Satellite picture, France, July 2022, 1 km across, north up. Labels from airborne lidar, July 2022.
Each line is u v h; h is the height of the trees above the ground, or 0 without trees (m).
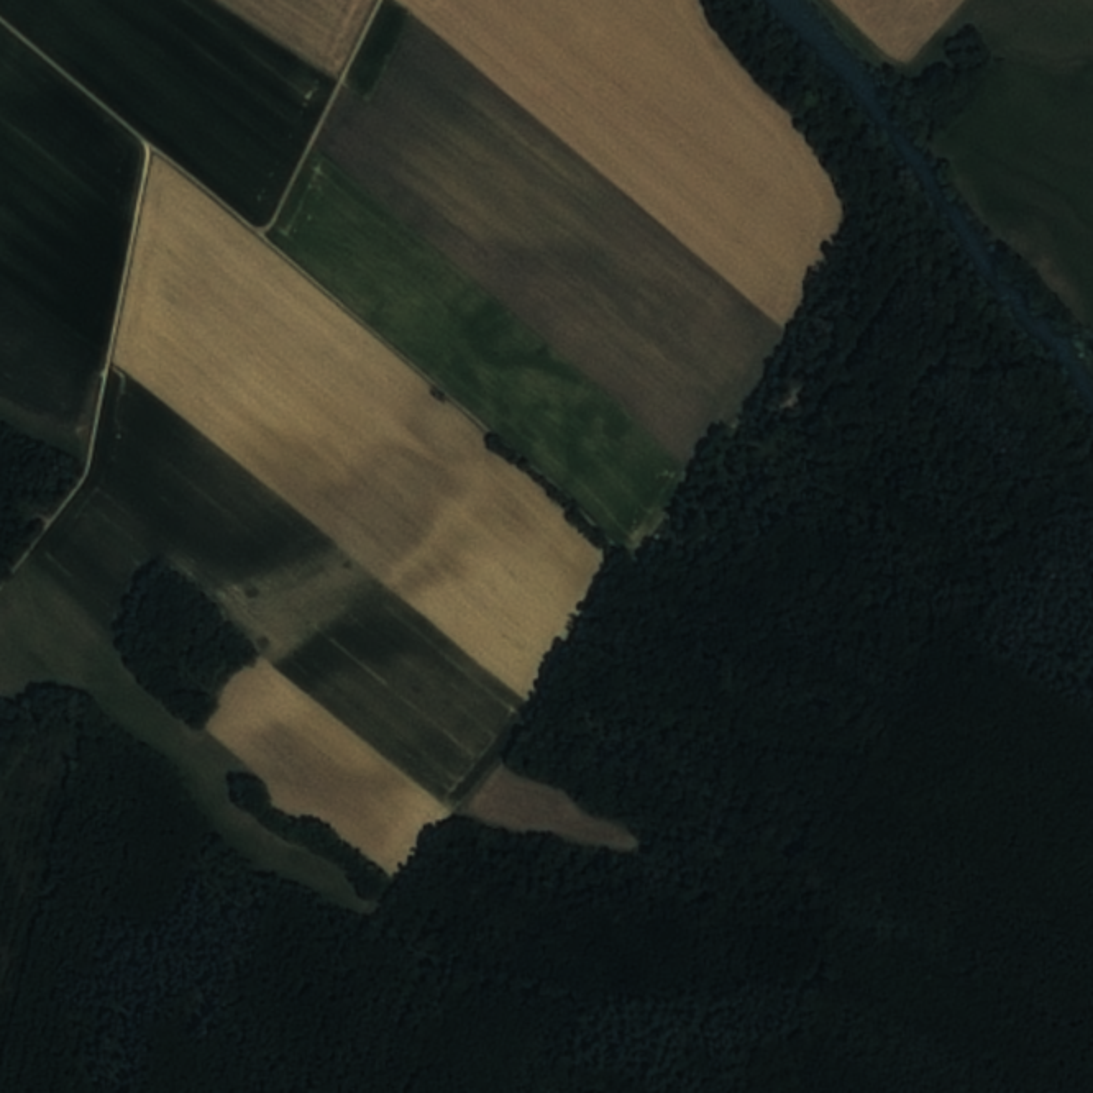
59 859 18
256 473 0
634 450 0
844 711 25
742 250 0
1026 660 31
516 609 0
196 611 18
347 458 0
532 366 0
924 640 15
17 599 0
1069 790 16
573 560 0
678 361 0
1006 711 18
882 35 0
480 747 0
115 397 0
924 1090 20
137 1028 23
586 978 24
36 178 0
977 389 25
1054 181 0
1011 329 29
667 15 0
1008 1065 20
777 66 27
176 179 0
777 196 0
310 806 0
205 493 0
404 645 0
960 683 16
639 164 0
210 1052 16
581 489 0
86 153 0
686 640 23
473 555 0
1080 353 0
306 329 0
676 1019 32
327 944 25
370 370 0
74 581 0
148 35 0
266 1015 19
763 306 0
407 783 0
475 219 0
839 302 23
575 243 0
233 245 0
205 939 24
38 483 18
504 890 21
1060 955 15
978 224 8
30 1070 14
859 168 29
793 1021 20
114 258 0
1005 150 0
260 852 0
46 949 14
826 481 26
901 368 29
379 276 0
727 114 0
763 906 17
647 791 22
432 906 18
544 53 0
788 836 24
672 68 0
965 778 16
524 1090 16
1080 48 0
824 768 22
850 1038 22
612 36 0
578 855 17
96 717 15
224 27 0
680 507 15
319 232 0
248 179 0
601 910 20
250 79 0
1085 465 23
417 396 0
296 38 0
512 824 0
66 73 0
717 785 25
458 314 0
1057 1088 14
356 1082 18
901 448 19
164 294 0
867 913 16
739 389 0
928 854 16
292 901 27
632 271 0
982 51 18
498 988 24
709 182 0
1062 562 28
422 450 0
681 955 17
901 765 17
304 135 0
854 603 19
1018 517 25
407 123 0
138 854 13
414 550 0
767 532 26
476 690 0
